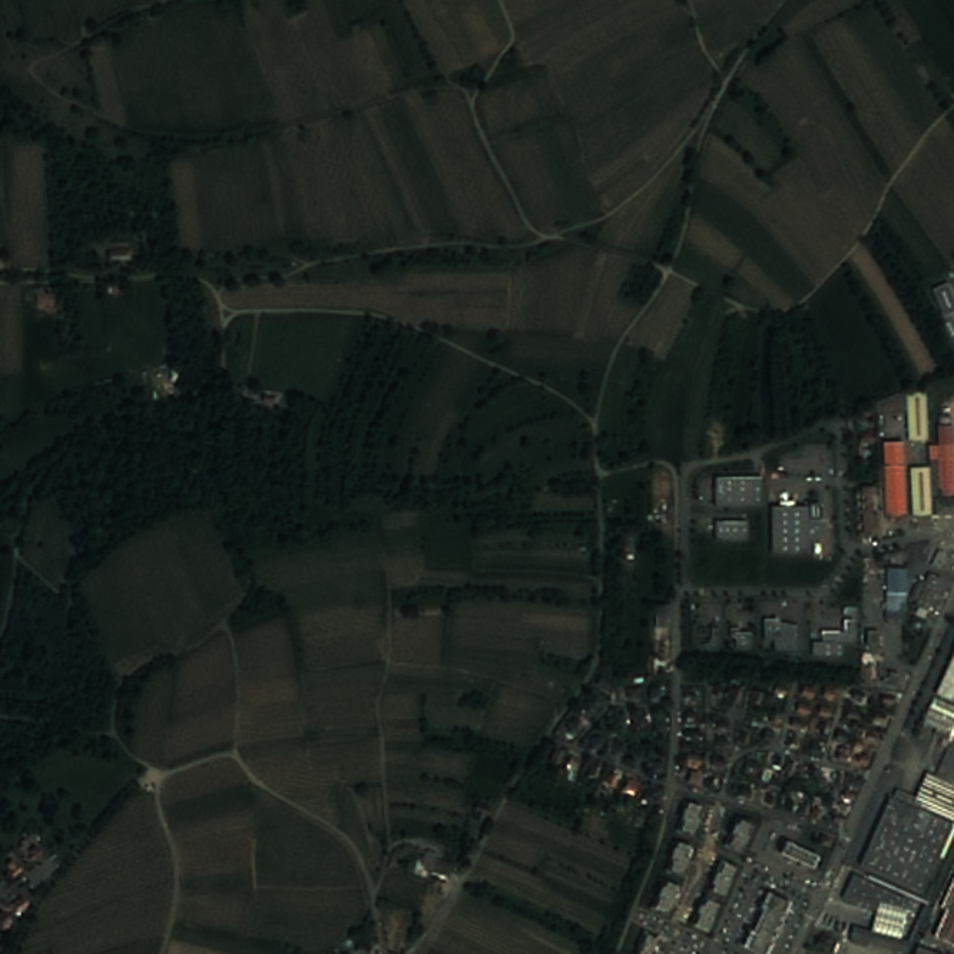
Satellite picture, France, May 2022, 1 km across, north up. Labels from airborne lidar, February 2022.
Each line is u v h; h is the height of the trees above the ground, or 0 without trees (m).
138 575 0
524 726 0
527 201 0
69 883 0
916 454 0
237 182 0
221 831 0
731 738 0
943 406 0
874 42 0
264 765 0
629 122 0
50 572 0
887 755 0
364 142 0
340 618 0
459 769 0
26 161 0
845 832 0
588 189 0
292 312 0
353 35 0
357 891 0
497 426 0
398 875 0
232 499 14
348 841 0
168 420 21
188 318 7
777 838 0
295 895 0
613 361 0
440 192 0
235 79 0
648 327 0
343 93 0
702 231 0
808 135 0
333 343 0
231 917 0
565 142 0
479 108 0
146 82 0
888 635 0
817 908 0
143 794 0
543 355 0
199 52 0
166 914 0
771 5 0
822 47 0
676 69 0
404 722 0
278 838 0
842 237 0
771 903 0
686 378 0
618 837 0
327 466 6
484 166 0
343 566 0
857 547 0
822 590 0
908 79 0
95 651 12
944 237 0
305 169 0
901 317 0
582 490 7
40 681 6
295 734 0
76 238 8
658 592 6
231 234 0
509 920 0
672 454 0
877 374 0
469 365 0
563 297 0
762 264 0
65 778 0
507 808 0
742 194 0
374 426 8
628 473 0
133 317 0
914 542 0
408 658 0
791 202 0
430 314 0
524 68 0
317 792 0
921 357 0
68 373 0
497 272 0
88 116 0
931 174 0
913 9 0
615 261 0
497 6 0
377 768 0
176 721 0
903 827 0
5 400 0
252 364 0
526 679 0
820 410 7
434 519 0
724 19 0
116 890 0
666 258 12
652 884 0
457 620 0
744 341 0
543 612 0
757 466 0
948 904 0
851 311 0
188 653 0
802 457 0
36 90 0
